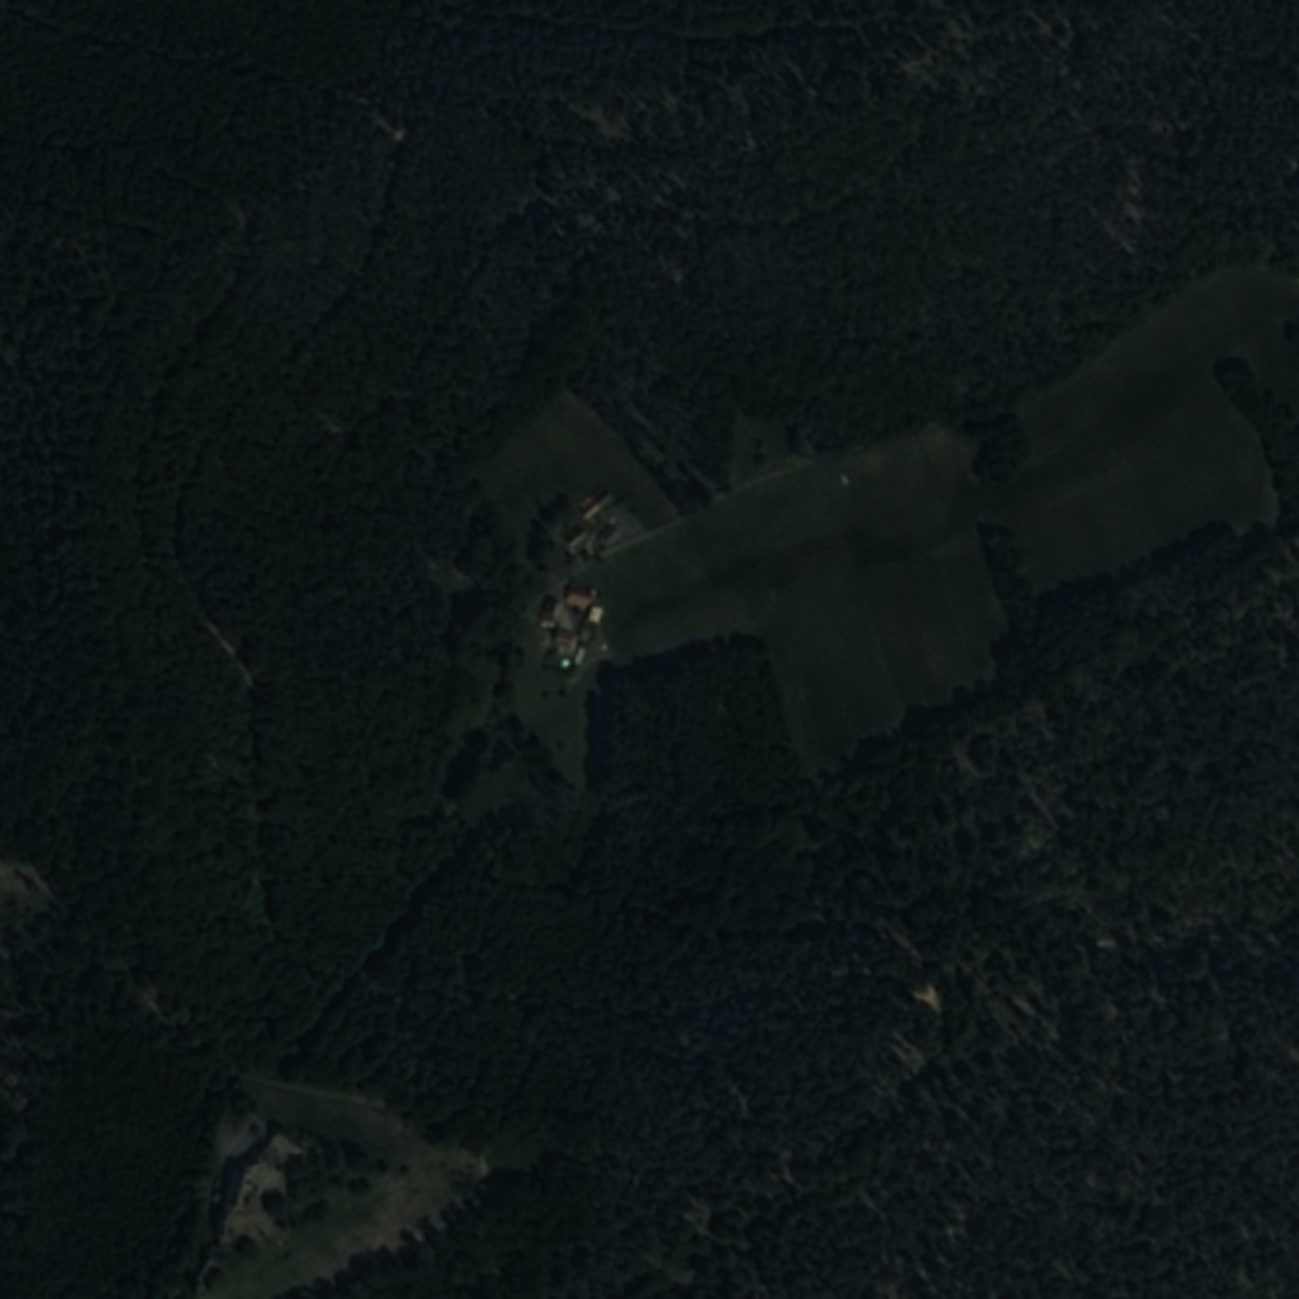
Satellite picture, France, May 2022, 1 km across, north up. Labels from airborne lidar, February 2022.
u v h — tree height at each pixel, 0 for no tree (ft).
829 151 68
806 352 86
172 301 73
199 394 80
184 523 79
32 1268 64
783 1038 105
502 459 0
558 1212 80
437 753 100
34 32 84
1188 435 0
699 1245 94
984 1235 101
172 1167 58
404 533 94
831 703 0
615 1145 89
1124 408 0
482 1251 95
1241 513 0
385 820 74
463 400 72
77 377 53
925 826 40
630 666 0
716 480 40
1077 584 0
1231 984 105
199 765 87
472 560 89
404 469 80
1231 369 51
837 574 0
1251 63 102
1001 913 94
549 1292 104
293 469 94
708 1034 103
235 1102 46
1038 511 0
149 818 69
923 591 0
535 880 76
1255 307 0
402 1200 0
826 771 0
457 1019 96
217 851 78
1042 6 95
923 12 95
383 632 77
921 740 85
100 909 63
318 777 75
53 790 37
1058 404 0
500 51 88
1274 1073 113
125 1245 63
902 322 85
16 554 56
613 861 61
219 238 62
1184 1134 92
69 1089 68
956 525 0
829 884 88
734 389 101
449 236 77
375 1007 88
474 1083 105
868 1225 105
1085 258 112
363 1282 90
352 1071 90
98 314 42
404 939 86
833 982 40
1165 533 0
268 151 72
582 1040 74
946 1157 117
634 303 92
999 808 39
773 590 0
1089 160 77
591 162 97
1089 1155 105
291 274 82
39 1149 70
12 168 83
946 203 75
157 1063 61
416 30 76
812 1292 96
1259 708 44
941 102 82
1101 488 0
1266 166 96
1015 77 90
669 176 77
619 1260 86
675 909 113
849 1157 95
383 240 67
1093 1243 105
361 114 81
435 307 54
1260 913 77
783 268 82
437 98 90
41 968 30
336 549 65
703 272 91
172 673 74
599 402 94
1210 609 89
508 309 90
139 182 71
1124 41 98
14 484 79
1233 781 34
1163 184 108
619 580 0
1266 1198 98
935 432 0
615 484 0
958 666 0
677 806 96
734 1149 84
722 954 101
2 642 77
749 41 72
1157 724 105
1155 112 64
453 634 114
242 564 83
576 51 86
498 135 71
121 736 45
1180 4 93
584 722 0
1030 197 86
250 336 76
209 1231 0
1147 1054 80
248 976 80
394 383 53
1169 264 94
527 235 98
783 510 0
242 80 77
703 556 0
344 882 77
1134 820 35
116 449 80
